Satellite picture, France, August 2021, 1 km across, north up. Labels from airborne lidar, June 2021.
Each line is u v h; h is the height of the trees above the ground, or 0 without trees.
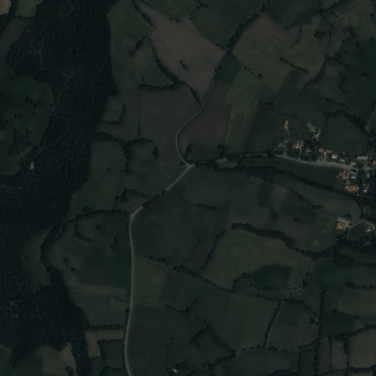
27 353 22
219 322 0
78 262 0
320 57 0
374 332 0
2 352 0
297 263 0
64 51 23
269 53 0
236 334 0
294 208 0
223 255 0
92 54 26
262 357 0
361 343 0
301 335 0
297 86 0
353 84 0
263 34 0
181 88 0
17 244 17
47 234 0
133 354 0
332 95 0
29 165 18
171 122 0
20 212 19
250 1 0
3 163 0
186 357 6
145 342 0
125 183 0
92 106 24
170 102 0
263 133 0
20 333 24
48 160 19
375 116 0
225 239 0
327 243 0
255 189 0
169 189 0
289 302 11
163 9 0
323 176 0
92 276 0
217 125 0
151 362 0
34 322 27
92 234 0
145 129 0
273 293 0
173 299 0
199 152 0
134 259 0
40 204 21
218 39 0
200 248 0
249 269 0
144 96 0
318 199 0
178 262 0
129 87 0
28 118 0
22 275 20
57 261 0
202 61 0
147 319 0
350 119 12
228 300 0
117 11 0
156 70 0
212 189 0
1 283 13
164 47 0
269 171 16
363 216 11
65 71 8
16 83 0
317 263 0
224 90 0
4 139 0
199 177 0
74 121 19
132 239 0
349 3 0
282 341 0
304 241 0
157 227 0
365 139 0
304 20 0
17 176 14
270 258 0
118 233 0
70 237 0
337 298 0
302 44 0
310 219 0
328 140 0
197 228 0
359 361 0
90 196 0
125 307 0
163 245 0
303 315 0
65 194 22
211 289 0
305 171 0
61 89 12
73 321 30
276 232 14
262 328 0
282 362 0
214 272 0
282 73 0
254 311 0
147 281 0
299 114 0
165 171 0
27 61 15
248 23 10
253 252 0
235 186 0
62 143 22
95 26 27
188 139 0
